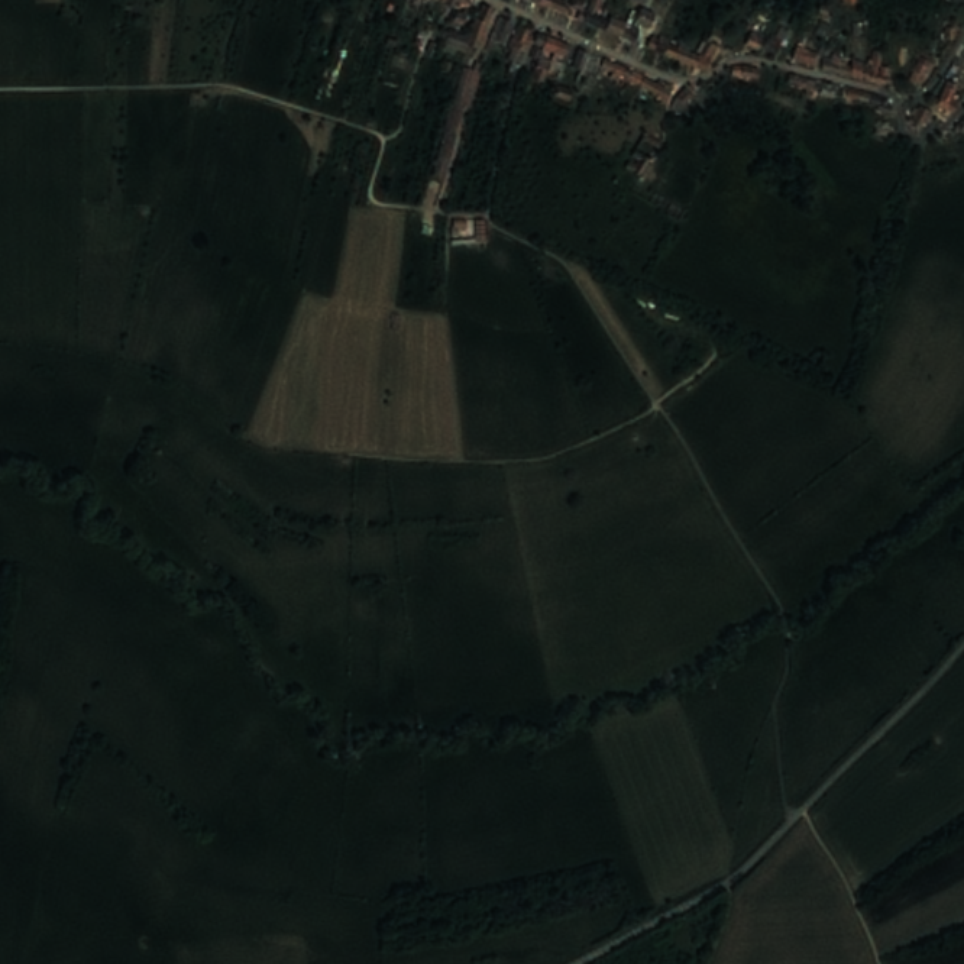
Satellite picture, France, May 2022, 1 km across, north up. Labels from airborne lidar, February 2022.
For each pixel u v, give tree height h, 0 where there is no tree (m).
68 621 0
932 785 0
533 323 0
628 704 17
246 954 0
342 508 0
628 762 0
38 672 0
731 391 0
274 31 0
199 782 0
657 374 0
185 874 0
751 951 0
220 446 0
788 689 0
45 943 0
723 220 0
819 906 0
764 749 0
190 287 0
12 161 0
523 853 0
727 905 11
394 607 0
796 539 0
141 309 0
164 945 0
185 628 0
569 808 0
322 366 0
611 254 0
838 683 0
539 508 0
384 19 10
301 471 0
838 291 0
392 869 0
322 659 0
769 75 0
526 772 0
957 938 12
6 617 15
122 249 0
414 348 0
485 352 0
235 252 0
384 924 10
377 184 0
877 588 0
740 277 0
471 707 0
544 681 0
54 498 13
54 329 0
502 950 0
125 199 0
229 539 0
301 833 0
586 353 0
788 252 0
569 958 0
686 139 0
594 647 0
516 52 0
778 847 0
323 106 0
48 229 0
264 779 0
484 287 0
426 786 0
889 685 0
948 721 0
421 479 0
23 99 0
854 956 0
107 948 0
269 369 0
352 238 0
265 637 0
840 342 0
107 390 0
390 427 0
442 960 0
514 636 0
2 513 0
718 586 0
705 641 0
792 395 0
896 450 0
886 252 9
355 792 0
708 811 0
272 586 0
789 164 27
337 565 0
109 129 0
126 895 0
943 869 0
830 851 0
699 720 0
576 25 0
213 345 0
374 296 0
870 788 0
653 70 0
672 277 0
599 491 0
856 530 0
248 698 0
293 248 0
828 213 0
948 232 0
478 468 0
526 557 0
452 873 0
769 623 21
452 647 0
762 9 7
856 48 0
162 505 0
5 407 0
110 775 0
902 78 14
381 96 0
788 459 0
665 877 0
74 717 0
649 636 0
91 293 0
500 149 11
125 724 0
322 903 0
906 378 0
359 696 0
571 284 0
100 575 0
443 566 0
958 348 0
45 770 0
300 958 0
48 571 0
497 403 0
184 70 0
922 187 0
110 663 0
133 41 0
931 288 0
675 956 6
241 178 0
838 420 0
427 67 0
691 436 0
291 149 0
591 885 18
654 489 0
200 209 0
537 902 9
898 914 0
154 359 0
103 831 0
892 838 0
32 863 0
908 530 22
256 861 0
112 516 15
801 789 0
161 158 0
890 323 0
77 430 0
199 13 0
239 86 0
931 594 0
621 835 0
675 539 0
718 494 0
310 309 0
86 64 0
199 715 0
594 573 0
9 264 0
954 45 0
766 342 6
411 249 0
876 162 0
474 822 0
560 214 0
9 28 0
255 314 0
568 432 0
